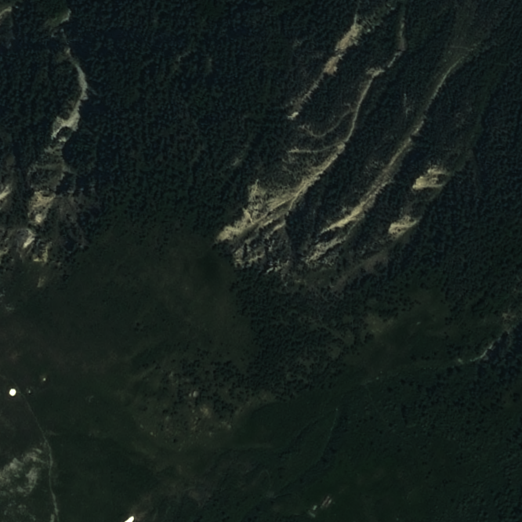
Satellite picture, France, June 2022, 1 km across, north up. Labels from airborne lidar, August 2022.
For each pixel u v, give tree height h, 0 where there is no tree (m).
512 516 6
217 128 10
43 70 24
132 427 0
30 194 10
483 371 19
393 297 7
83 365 0
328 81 19
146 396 6
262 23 24
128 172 18
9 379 0
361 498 0
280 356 15
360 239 9
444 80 0
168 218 11
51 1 7
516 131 15
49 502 0
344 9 19
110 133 6
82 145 14
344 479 0
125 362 0
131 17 27
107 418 0
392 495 0
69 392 0
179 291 0
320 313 10
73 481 0
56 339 0
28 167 7
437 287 8
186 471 0
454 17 16
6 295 0
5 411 0
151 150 19
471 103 17
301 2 28
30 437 0
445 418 8
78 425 0
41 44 18
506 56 7
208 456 0
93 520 0
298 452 7
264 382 14
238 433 0
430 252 8
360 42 25
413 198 14
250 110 15
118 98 26
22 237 0
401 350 0
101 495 0
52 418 0
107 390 0
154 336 0
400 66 6
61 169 0
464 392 7
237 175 24
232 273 0
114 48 12
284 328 15
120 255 0
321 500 0
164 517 0
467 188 8
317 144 12
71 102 12
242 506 6
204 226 16
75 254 10
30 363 0
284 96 6
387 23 26
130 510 0
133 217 14
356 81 13
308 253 9
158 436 0
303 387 18
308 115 13
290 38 13
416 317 0
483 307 10
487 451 8
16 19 18
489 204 12
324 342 13
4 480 0
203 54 22
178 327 0
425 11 21
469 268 32
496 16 8
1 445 0
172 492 0
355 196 13
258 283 15
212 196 24
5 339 0
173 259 0
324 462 6
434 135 16
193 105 26
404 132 17
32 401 0
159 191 17
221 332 0
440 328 0
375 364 0
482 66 24
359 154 18
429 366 5
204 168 13
